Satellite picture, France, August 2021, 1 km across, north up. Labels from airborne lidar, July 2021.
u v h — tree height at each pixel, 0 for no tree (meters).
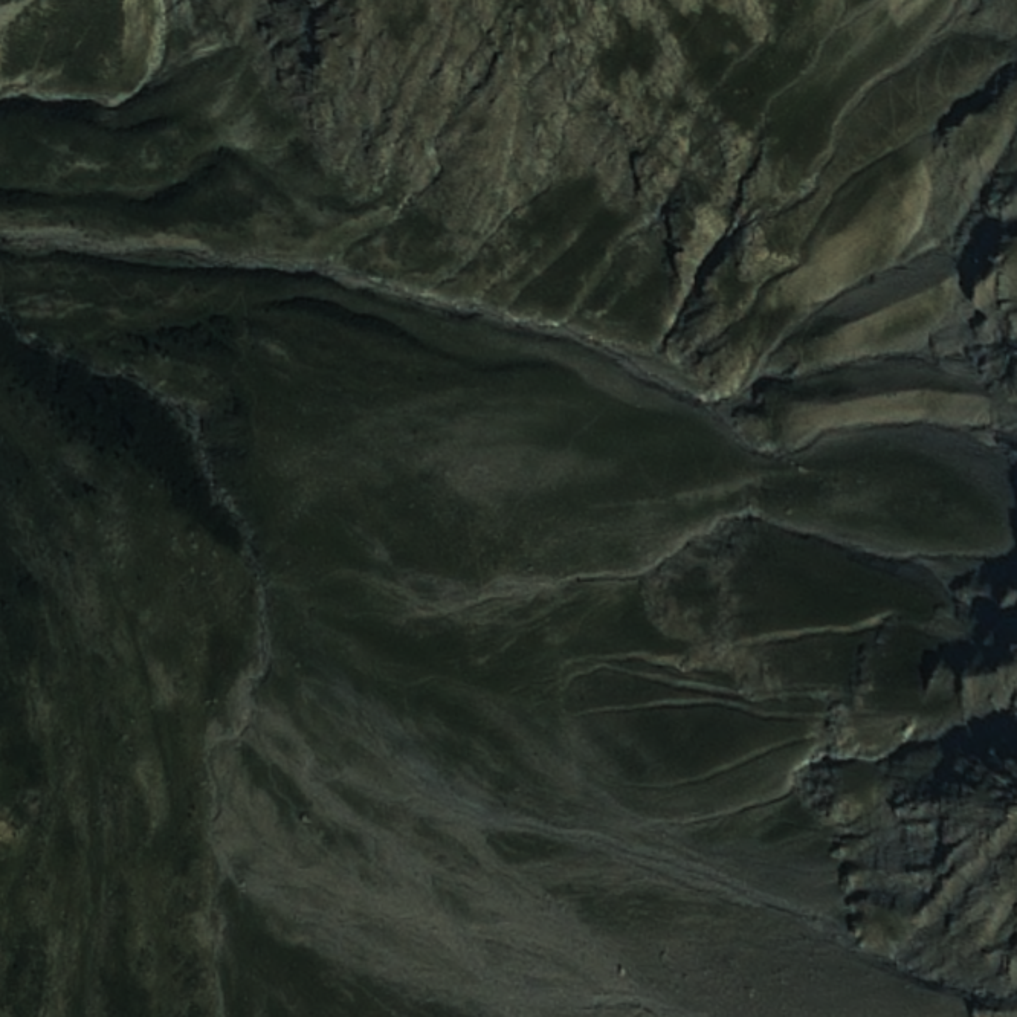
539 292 0
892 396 0
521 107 0
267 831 0
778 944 0
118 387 5
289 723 0
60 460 0
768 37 0
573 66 0
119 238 0
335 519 0
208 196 0
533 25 0
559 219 0
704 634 0
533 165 0
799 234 0
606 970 0
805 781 0
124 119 0
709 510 0
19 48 0
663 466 0
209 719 0
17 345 6
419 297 0
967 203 0
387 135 0
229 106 0
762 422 0
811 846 0
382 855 0
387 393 0
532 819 0
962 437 0
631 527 0
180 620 0
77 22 0
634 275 0
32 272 0
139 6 0
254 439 0
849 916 0
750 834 0
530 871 0
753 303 0
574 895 0
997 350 0
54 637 0
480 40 0
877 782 0
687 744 0
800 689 0
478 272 0
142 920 0
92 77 0
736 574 0
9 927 0
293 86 0
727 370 0
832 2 0
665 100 0
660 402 0
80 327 0
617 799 0
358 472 0
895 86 0
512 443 0
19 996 0
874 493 0
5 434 0
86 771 0
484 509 0
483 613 0
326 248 0
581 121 0
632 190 0
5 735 0
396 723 0
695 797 0
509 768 0
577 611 0
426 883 0
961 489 0
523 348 0
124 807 0
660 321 0
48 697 0
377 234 0
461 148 0
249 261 0
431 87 0
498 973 0
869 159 0
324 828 0
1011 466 0
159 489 0
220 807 0
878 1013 0
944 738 0
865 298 0
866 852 0
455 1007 0
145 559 0
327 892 0
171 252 0
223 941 0
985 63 0
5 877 0
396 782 0
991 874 0
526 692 0
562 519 0
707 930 0
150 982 0
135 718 0
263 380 0
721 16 0
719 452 0
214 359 0
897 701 0
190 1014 0
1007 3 0
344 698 0
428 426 0
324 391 0
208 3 0
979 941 0
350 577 0
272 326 0
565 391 0
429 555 0
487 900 0
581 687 0
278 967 0
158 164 0
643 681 0
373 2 0
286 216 0
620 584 0
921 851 0
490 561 0
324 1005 0
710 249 0
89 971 0
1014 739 0
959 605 0
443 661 0
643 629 0
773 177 0
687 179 0
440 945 0
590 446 0
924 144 0
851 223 0
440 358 0
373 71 0
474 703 0
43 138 0
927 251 0
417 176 0
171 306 0
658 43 0
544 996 0
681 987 0
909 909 0
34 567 0
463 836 0
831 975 0
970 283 0
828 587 0
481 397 0
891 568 0
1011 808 0
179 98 0
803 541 0
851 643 0
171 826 0
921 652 0
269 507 0
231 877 0
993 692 0
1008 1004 0
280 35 0
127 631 0
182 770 0
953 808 0
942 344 0
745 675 0
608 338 0
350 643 0
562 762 0
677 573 0
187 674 0
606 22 0
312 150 0
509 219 0
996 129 0
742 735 0
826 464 0
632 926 0
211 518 6
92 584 0
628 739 0
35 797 0
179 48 0
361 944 0
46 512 0
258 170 0
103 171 0
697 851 0
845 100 0
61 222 0
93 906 0
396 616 0
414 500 0
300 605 0
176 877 0
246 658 0
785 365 0
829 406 0
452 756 0
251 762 0
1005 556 0
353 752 0
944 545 0
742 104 0
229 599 0
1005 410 0
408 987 0
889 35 0
